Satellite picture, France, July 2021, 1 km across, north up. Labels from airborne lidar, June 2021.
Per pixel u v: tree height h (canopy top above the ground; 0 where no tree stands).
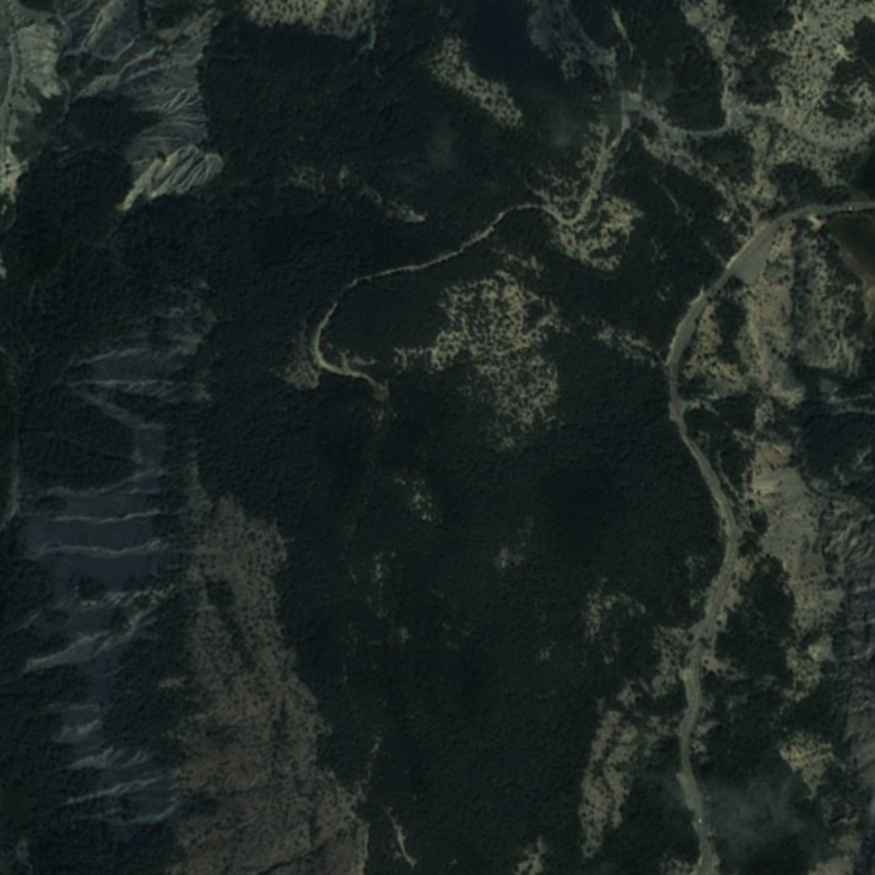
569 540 12
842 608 7
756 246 0
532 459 9
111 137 7
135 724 7
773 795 8
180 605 6
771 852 10
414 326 8
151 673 8
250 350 10
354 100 10
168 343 6
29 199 11
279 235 10
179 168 0
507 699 9
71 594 0
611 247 8
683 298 8
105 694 0
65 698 7
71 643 0
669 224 7
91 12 0
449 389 7
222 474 8
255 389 14
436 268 7
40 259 7
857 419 6
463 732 10
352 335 7
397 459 9
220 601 8
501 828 10
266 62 8
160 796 0
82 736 0
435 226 8
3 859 13
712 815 6
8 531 8
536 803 9
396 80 9
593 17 9
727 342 6
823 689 10
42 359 9
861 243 0
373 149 10
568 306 7
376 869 6
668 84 14
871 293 0
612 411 9
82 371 9
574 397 9
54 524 0
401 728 9
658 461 9
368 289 10
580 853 6
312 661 6
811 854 10
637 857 7
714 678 12
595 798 0
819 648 0
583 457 11
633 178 7
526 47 7
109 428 11
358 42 10
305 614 10
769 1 8
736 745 7
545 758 9
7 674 7
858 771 6
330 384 8
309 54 7
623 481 9
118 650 0
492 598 6
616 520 7
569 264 10
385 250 11
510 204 8
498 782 9
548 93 9
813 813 11
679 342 0
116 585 0
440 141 14
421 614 8
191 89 0
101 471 6
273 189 13
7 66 0
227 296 9
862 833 7
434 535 8
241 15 6
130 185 6
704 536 6
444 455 8
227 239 9
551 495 8
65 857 16
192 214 9
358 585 6
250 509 7
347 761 8
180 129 0
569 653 6
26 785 9
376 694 7
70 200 10
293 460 10
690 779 0
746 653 6
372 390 8
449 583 7
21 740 9
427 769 10
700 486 9
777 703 9
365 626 7
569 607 7
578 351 7
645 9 8
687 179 8
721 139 6
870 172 0
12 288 9
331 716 6
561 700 8
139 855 9
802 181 8
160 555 0
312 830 6
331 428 8
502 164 13
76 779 12
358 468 8
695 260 11
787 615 7
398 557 5
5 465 7
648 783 10
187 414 9
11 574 12
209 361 8
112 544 0
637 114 11
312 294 11
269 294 13
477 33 6
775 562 7
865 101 0
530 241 9
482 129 9
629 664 6
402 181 7
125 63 0
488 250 8
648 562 7
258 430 8
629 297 10
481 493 10
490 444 6
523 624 7
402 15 11
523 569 7
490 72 6
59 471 9
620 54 10
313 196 12
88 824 11
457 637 6
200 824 0
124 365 0
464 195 9
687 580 6
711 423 7
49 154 8
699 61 8
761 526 6
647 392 10
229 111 13
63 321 7
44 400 10
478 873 7
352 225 7
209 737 9
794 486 0
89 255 9
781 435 7
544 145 8
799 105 0
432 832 8
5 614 15
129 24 0
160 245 10
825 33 0
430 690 7
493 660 9
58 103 7
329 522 7
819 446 7
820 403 6
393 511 9
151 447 0
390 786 6
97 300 8
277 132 9
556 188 5
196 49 0
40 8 5
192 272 6
